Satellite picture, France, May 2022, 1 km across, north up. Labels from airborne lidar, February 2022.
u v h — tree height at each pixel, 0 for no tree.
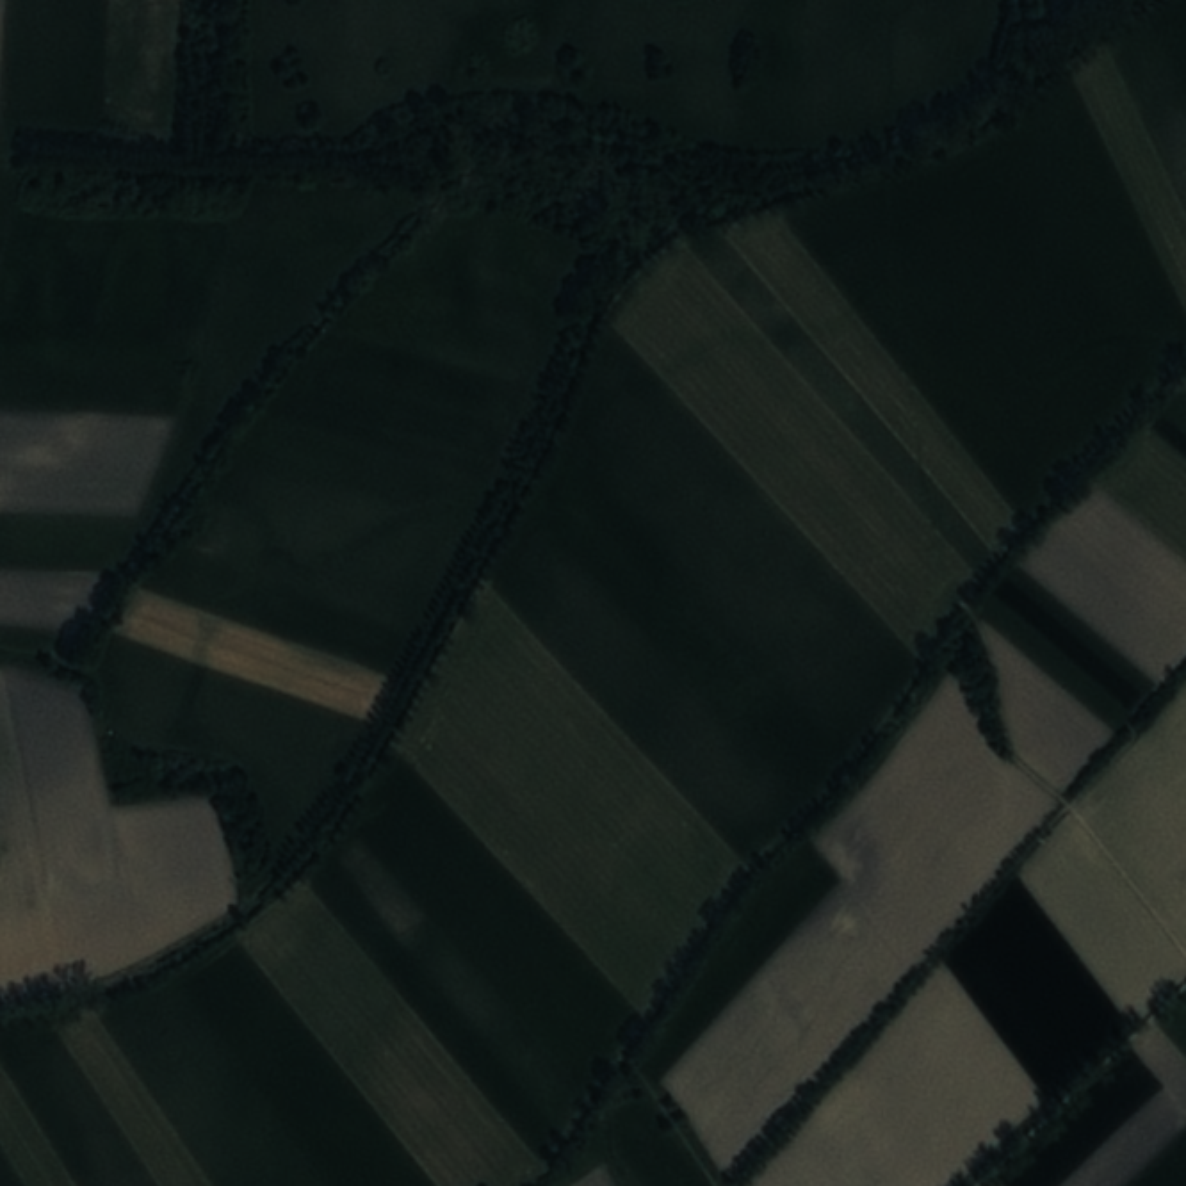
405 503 0
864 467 0
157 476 0
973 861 0
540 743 0
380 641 0
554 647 0
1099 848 0
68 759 0
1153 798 0
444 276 0
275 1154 0
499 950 0
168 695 0
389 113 6
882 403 0
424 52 0
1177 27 0
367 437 0
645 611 0
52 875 0
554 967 0
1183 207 0
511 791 0
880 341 0
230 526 0
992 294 0
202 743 0
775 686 0
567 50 11
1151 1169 0
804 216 0
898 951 0
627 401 0
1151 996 0
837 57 0
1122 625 0
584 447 0
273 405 0
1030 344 0
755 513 0
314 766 0
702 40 0
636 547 0
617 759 0
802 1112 0
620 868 0
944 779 0
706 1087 0
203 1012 0
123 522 0
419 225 6
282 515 0
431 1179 0
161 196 17
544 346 0
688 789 0
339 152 7
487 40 0
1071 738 0
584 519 0
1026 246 0
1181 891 0
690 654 0
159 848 0
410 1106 0
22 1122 0
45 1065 0
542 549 0
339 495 0
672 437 0
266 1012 0
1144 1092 0
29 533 0
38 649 0
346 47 0
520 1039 0
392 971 0
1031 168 0
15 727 0
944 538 0
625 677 0
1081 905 0
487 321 0
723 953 0
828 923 0
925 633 0
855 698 0
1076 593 0
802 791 0
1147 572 0
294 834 0
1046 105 0
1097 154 0
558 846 0
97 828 0
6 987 0
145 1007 0
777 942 0
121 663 0
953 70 0
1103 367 0
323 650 0
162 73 0
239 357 0
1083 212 0
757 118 0
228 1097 0
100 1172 0
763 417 0
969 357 0
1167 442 0
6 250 0
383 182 26
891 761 0
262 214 0
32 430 0
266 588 0
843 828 0
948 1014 0
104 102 0
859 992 0
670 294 0
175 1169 0
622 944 0
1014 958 0
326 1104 0
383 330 0
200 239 0
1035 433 0
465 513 0
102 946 0
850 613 0
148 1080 0
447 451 0
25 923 0
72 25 0
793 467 0
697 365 0
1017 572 0
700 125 0
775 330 0
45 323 0
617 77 0
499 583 0
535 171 8
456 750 0
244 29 14
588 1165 0
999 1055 0
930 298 0
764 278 0
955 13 0
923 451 0
